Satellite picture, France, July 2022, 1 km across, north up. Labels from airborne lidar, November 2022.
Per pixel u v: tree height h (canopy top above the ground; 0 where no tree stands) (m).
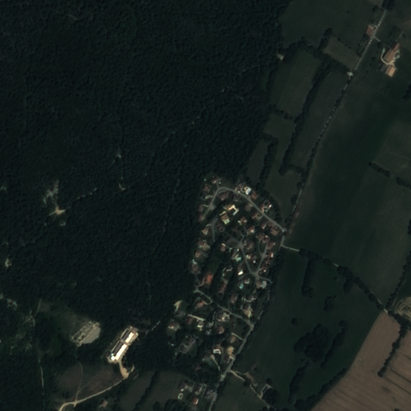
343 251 0
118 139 18
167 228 13
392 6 20
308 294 24
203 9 14
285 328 0
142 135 21
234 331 0
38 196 11
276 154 15
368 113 0
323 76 10
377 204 0
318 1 0
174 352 14
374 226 0
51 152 16
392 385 0
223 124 13
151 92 17
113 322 17
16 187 22
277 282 16
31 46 23
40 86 16
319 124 0
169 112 12
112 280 11
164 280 14
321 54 17
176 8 17
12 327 18
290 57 19
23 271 16
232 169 14
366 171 0
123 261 11
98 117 23
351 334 0
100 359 6
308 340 20
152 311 11
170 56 13
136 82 16
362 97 0
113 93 18
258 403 0
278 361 0
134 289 16
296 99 0
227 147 15
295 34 0
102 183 16
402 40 0
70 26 15
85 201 18
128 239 16
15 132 11
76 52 15
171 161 7
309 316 0
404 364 0
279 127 0
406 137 0
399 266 0
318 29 0
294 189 0
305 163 0
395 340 0
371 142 0
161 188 17
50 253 15
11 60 23
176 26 15
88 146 18
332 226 0
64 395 8
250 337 8
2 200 11
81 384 0
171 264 13
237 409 0
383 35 0
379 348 0
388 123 0
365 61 0
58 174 17
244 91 20
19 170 16
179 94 24
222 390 15
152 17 15
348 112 0
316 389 0
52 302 9
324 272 0
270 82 11
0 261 11
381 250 0
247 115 12
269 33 20
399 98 0
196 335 13
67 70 15
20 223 20
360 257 0
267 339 0
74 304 14
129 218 14
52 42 12
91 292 13
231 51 7
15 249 15
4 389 14
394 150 0
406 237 0
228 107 16
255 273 0
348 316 0
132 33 9
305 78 0
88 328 0
